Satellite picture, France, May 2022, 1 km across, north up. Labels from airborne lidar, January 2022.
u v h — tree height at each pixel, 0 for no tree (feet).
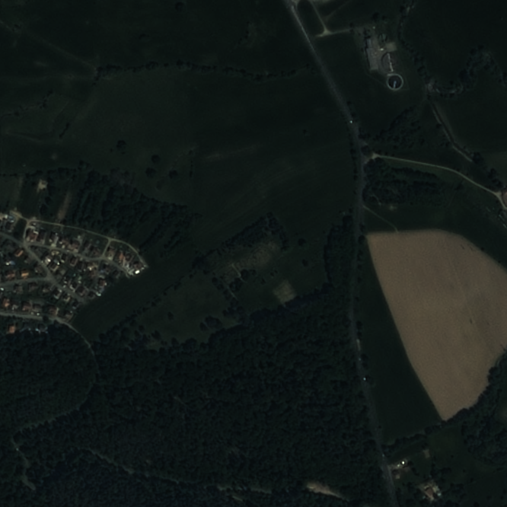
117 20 0
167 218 47
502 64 0
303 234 0
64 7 0
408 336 0
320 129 0
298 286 0
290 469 103
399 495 31
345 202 0
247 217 0
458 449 0
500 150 0
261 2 0
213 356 58
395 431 0
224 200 0
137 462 85
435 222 0
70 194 0
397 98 0
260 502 56
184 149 0
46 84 0
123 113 0
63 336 68
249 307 0
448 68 0
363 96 0
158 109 0
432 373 0
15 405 63
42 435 95
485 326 0
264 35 0
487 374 0
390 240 0
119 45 0
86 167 39
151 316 0
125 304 0
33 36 0
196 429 78
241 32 0
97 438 66
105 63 0
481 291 0
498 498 0
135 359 92
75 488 88
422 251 0
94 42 0
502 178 0
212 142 0
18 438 89
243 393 85
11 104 0
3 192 0
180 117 0
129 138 0
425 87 0
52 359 90
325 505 56
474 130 0
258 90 0
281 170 0
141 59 0
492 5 0
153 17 0
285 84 0
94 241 0
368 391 0
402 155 0
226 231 0
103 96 0
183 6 42
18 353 88
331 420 98
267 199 0
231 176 0
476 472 0
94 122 0
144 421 78
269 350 96
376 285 0
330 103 0
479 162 68
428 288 0
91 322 0
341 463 87
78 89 0
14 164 0
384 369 0
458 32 0
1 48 0
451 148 29
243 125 0
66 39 0
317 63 0
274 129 0
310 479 58
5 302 0
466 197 22
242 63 0
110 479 101
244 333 68
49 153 0
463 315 0
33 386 71
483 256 0
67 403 63
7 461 81
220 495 100
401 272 0
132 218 46
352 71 0
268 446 102
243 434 95
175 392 81
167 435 85
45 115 0
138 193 53
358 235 0
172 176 40
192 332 0
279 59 0
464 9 0
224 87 0
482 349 0
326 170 0
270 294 0
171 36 0
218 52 0
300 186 0
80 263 30
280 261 0
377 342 0
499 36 0
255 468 94
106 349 72
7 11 0
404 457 0
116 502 89
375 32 0
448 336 0
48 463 64
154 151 0
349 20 0
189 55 0
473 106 0
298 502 97
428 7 0
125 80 0
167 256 19
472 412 50
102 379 95
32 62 0
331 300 85
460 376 0
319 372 90
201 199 0
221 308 0
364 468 73
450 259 0
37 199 0
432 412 0
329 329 85
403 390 0
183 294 0
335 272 80
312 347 97
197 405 87
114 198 57
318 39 0
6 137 0
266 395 93
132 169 0
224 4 0
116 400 98
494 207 0
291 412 97
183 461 91
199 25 0
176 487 70
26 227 0
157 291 0
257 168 0
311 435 79
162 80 0
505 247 0
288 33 0
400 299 0
